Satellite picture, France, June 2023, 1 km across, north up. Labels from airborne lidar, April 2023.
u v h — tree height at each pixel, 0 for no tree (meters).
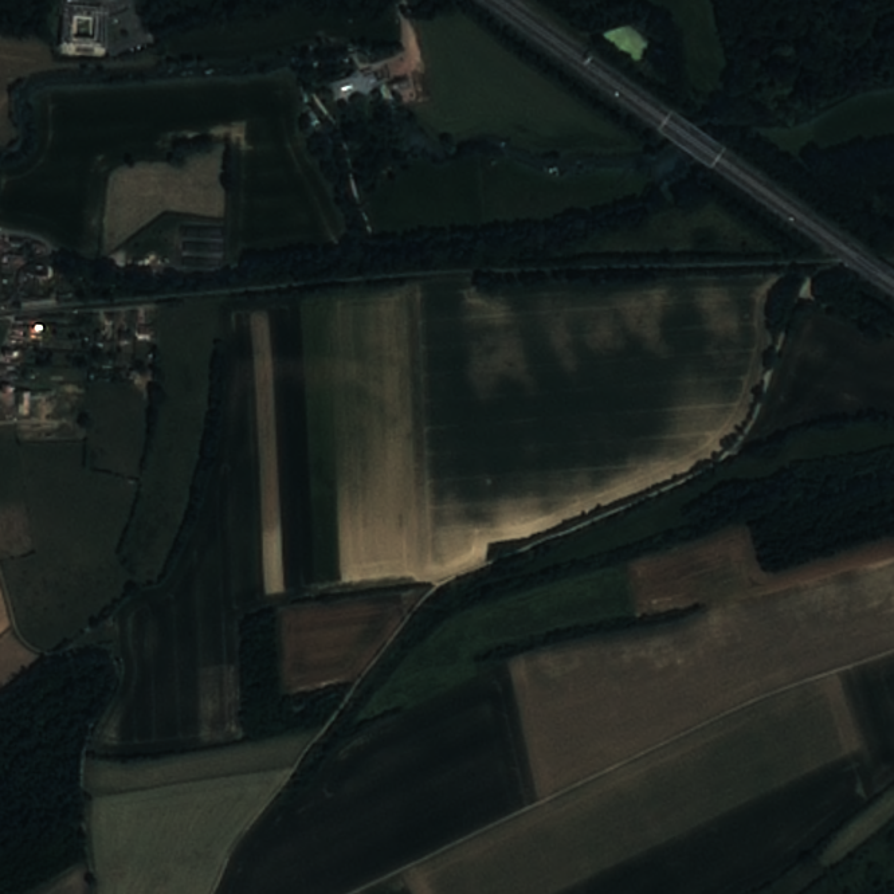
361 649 0
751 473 0
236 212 0
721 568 0
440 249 24
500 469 0
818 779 0
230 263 0
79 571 0
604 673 0
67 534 0
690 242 0
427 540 0
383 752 0
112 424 0
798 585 0
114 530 0
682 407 0
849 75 28
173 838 0
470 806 0
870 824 0
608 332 0
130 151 0
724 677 0
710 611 0
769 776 0
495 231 14
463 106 0
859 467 6
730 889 0
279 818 0
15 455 0
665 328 0
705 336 0
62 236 0
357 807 0
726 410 0
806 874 0
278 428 0
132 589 12
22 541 0
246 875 0
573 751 0
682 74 33
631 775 0
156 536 0
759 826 0
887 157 38
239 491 0
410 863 0
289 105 0
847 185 37
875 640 0
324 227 0
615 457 0
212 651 0
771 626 0
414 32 0
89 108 0
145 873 0
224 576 0
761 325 0
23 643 0
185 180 0
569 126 0
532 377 0
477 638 0
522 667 0
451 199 0
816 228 0
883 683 0
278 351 0
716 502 10
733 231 0
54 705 16
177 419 0
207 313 0
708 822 0
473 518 0
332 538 0
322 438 0
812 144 0
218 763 0
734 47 32
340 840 0
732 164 0
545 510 0
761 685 0
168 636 0
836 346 0
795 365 0
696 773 0
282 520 0
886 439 0
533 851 0
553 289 0
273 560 0
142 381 0
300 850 0
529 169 0
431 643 0
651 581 0
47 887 0
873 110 0
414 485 0
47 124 0
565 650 0
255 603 0
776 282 0
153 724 0
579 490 0
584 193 0
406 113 8
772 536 12
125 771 0
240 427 0
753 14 31
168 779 0
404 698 0
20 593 0
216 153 0
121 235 0
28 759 12
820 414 0
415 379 0
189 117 0
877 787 0
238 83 0
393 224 0
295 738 0
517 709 0
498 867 0
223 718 0
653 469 0
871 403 0
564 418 0
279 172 0
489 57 0
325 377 0
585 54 0
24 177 0
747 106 32
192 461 0
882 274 0
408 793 0
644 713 0
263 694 12
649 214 18
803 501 16
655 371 0
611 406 0
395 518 0
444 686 0
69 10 0
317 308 0
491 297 0
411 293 0
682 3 0
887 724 0
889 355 0
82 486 0
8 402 0
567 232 24
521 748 0
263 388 0
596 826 0
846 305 7
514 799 0
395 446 0
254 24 0
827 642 0
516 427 0
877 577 0
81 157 0
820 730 0
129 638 0
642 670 0
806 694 0
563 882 0
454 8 17
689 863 0
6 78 0
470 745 0
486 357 0
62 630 0
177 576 0
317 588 0
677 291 0
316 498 0
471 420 0
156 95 0
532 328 0
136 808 0
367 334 0
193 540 0
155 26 19
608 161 0
